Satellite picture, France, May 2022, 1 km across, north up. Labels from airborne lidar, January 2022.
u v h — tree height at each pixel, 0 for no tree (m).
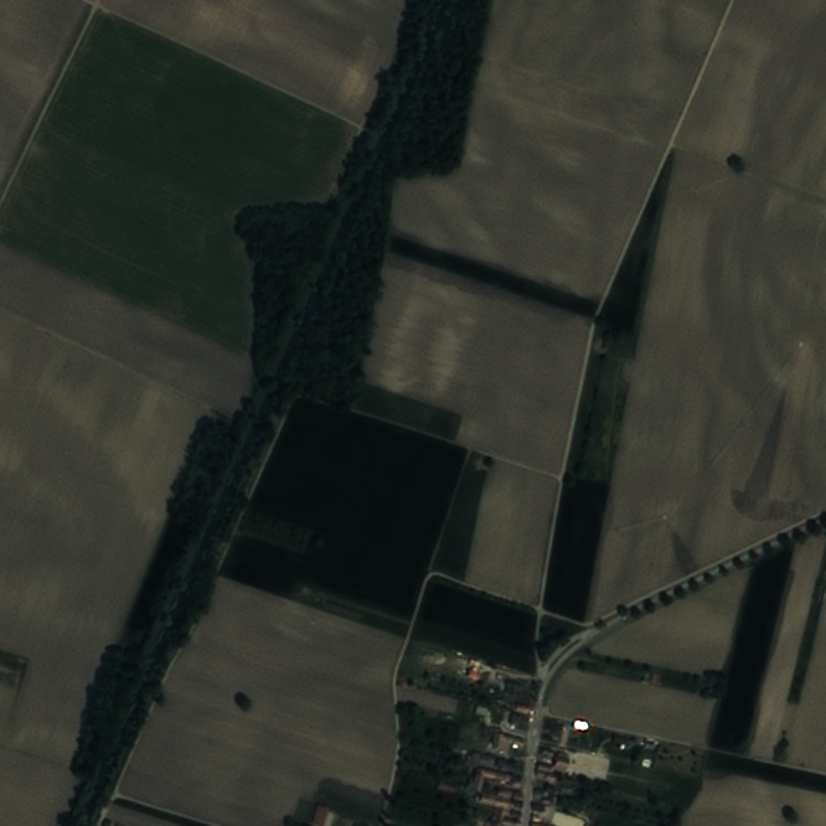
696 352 0
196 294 0
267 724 0
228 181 0
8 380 0
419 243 0
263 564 0
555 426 0
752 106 0
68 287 0
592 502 0
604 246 0
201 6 0
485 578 0
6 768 0
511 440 0
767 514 0
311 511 0
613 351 0
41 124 0
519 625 0
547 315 0
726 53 0
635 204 0
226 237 0
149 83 0
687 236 0
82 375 0
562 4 0
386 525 0
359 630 0
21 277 0
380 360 0
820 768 0
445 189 0
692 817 0
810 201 0
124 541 0
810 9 0
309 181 0
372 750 0
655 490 0
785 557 0
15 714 0
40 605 0
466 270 0
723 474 0
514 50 0
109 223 0
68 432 0
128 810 0
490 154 0
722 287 0
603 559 0
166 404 0
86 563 0
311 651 0
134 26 0
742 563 12
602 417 0
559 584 0
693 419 0
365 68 0
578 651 0
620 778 0
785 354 0
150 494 0
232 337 0
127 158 0
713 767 0
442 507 0
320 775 0
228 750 0
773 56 0
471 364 0
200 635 0
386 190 17
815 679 0
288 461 0
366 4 0
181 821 0
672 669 0
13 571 0
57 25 0
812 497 0
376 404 0
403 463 0
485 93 0
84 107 0
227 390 0
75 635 0
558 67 0
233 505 10
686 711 0
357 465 0
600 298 0
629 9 0
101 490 0
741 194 0
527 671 0
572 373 0
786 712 0
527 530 0
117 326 0
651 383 0
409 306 0
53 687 0
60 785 0
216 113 0
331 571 0
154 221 0
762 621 0
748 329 0
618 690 0
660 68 0
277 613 0
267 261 20
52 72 0
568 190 0
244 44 0
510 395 0
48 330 0
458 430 0
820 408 0
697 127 0
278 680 0
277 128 0
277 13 0
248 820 0
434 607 0
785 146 0
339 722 0
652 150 0
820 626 0
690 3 0
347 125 0
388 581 0
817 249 0
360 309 18
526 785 0
